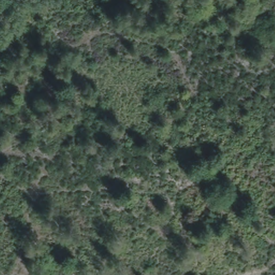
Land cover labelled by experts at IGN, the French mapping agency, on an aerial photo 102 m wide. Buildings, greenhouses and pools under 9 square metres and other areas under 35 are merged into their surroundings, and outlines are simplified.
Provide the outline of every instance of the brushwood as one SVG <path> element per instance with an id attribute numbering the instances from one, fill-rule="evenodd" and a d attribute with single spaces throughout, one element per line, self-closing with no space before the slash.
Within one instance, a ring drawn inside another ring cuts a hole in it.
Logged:
<path id="1" fill-rule="evenodd" d="M 213 16 L 194 24 L 193 33 L 186 34 L 182 39 L 170 40 L 163 37 L 150 39 L 150 31 L 141 33 L 131 28 L 129 21 L 112 23 L 101 10 L 107 0 L 56 0 L 44 4 L 40 13 L 30 13 L 31 24 L 27 24 L 28 31 L 12 40 L 4 50 L 0 50 L 0 275 L 275 275 L 275 0 L 214 0 Z M 21 69 L 13 64 L 23 49 L 28 49 L 33 54 L 33 70 L 27 66 Z M 214 150 L 220 148 L 222 157 L 228 161 L 219 172 L 226 174 L 231 183 L 236 184 L 236 199 L 223 212 L 212 211 L 208 203 L 201 198 L 199 187 L 183 172 L 191 158 L 201 154 L 201 151 L 205 153 L 208 147 Z"/>

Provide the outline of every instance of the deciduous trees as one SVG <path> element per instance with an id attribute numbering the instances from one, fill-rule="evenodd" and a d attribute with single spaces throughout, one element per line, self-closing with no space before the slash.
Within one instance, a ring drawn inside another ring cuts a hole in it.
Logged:
<path id="1" fill-rule="evenodd" d="M 112 23 L 129 21 L 131 28 L 141 33 L 150 31 L 150 39 L 163 37 L 170 40 L 182 39 L 186 34 L 193 33 L 194 24 L 213 16 L 214 0 L 107 0 L 101 10 Z"/>
<path id="2" fill-rule="evenodd" d="M 44 4 L 56 0 L 0 0 L 0 50 L 4 50 L 12 40 L 28 31 L 27 24 L 31 24 L 30 13 L 40 13 Z"/>
<path id="3" fill-rule="evenodd" d="M 27 66 L 33 70 L 33 54 L 28 49 L 23 49 L 13 64 L 21 69 Z"/>
<path id="4" fill-rule="evenodd" d="M 208 147 L 205 153 L 201 151 L 201 154 L 191 158 L 183 172 L 199 187 L 201 198 L 208 203 L 212 211 L 223 212 L 236 199 L 236 184 L 231 183 L 226 174 L 219 172 L 228 161 L 222 157 L 220 148 L 214 150 Z"/>

